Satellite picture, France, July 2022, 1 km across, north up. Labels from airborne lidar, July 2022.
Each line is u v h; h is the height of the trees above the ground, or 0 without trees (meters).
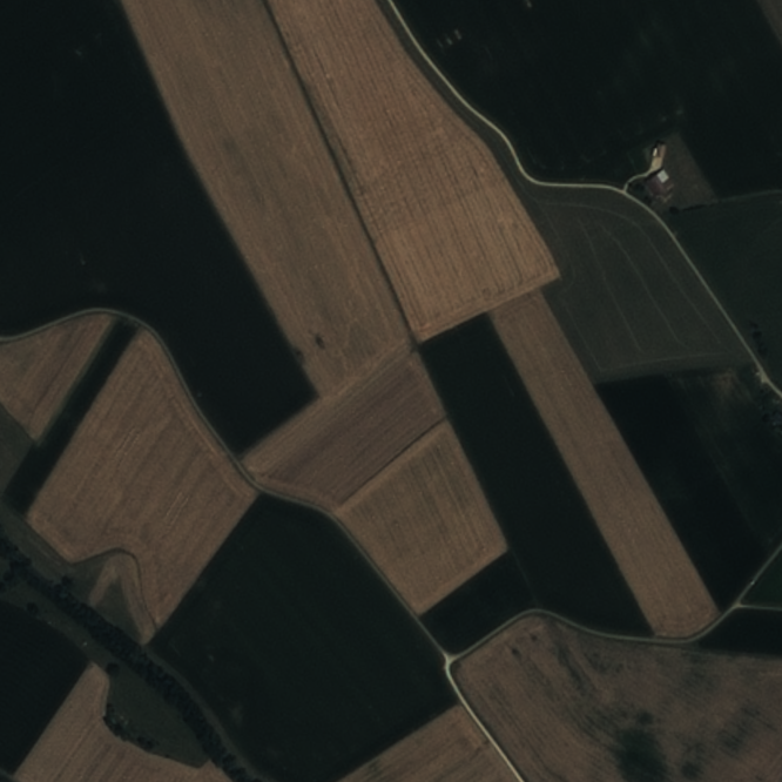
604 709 0
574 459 0
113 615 0
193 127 0
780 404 0
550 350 0
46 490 0
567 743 0
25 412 0
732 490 0
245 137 0
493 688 0
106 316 0
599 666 0
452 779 0
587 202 0
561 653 0
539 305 0
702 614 0
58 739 0
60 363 0
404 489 0
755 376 0
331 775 0
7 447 0
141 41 0
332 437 0
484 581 0
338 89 0
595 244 0
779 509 0
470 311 0
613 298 0
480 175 0
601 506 0
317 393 0
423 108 0
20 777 0
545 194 0
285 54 0
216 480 0
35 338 0
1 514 0
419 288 0
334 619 0
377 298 0
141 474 0
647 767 0
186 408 0
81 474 0
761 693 0
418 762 0
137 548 0
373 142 0
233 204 0
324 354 0
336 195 0
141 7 0
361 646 0
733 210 0
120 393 0
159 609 0
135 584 0
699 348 0
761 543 0
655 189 0
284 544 0
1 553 11
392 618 0
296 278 0
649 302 0
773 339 0
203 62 0
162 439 0
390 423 0
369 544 0
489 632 0
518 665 0
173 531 0
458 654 0
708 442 0
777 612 0
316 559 0
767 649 0
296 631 0
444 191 0
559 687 0
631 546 0
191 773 0
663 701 0
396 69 0
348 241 0
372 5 0
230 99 0
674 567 0
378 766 0
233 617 0
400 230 0
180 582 0
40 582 12
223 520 0
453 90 0
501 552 0
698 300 0
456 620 0
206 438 0
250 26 0
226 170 0
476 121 0
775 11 0
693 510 0
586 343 0
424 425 0
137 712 0
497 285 0
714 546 0
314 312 0
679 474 0
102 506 0
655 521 0
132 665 15
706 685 0
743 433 0
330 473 0
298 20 0
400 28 0
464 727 0
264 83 0
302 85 0
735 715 0
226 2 0
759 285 0
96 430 0
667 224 0
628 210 0
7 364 0
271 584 0
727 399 0
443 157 0
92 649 0
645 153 0
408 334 0
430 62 0
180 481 0
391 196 0
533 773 0
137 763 0
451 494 0
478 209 0
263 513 0
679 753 0
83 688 0
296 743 0
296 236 0
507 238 0
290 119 0
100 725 0
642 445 0
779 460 0
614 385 0
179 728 0
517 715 0
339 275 0
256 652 0
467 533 0
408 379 0
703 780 0
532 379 0
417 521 0
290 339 0
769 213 0
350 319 0
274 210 0
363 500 0
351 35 0
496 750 0
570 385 0
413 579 0
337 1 0
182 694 12
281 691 0
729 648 0
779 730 0
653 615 0
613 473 0
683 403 0
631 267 0
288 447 0
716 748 0
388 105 0
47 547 0
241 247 0
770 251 0
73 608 14
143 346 0
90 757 0
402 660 0
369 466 0
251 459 0
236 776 12
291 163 0
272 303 0
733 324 0
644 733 0
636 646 0
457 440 0
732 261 0
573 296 0
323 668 0
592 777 0
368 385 0
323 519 0
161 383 0
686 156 0
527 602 0
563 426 0
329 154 0
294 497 0
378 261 0
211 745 13
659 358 0
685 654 0
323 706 0
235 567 0
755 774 0
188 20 0
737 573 0
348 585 0
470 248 0
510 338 0
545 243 0
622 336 0
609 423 0
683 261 0
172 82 0
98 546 0
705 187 0
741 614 0
